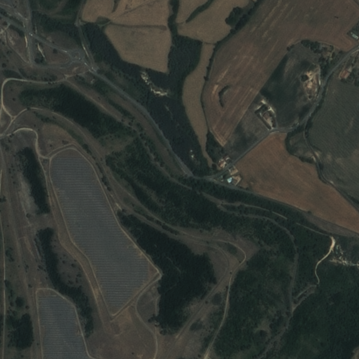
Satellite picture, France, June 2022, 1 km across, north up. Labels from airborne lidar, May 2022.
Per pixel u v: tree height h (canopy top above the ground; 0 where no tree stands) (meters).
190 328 0
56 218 0
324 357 10
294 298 16
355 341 10
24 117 0
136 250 0
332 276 6
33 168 13
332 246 0
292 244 8
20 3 0
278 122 0
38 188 11
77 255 0
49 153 0
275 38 0
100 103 0
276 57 0
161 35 0
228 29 0
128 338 0
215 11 0
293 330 6
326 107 0
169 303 10
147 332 0
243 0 0
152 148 7
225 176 10
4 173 0
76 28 13
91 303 0
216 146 7
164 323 8
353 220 0
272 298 7
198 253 0
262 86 0
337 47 0
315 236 8
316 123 0
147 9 0
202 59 0
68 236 0
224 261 0
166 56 0
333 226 0
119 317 0
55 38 0
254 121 0
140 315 0
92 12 0
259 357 14
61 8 0
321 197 0
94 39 15
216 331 7
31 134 0
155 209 7
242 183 0
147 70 11
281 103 0
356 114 0
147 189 10
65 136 0
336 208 0
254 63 0
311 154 0
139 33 0
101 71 15
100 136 6
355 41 0
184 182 8
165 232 15
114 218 0
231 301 6
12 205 0
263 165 0
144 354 0
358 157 0
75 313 0
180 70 13
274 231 6
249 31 0
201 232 5
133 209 12
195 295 11
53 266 10
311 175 0
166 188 9
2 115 0
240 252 0
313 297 8
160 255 12
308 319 8
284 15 0
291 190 0
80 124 10
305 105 0
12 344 8
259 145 0
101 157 0
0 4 0
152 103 15
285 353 6
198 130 0
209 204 9
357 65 0
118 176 7
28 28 0
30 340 7
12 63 0
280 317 16
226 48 0
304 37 0
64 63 0
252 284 7
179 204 8
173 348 0
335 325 10
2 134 0
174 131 16
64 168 0
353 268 11
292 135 12
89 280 0
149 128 0
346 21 0
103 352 0
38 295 0
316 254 11
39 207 9
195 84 0
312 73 0
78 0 10
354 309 9
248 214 14
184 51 14
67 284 0
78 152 0
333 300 13
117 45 0
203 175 19
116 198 0
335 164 0
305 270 7
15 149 0
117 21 0
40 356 0
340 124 0
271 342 8
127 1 0
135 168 6
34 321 0
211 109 0
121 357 0
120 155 5
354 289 9
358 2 0
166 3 0
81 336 0
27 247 0
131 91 0
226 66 0
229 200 10
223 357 7
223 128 0
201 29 0
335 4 0
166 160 0
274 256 9
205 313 0
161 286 7
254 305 8
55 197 0
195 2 0
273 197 0
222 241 0
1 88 0
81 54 0
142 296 0
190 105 0
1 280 0
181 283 18
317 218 0
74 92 7
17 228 0
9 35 0
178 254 19
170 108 8
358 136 0
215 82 0
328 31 0
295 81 0
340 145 0
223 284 0
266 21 0
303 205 0
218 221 15
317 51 11
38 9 0
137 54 0
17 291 0
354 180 0
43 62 14
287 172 0
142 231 11
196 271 12
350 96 0
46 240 11
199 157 7
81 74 0
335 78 0
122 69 14
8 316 12
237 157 0
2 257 0
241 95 0
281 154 0
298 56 0
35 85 0
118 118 0
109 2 0
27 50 0
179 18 0
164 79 16
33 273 0
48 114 0
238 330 8
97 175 0
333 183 0
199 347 0
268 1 0
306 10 0
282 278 8
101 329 0
